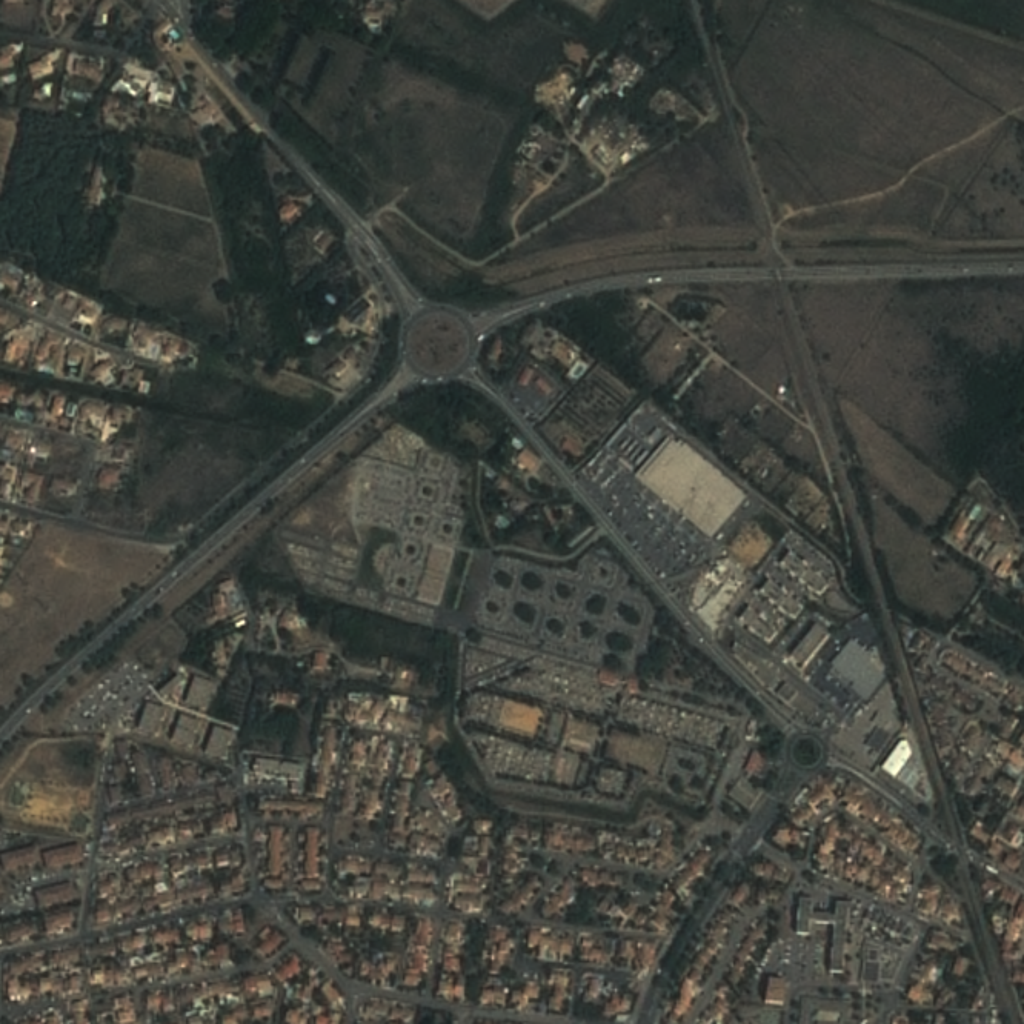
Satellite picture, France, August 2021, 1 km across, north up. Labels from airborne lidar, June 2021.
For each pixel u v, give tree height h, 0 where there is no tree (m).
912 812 0
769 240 0
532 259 0
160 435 0
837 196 0
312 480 0
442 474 0
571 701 0
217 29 17
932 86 0
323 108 0
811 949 0
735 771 0
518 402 0
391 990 0
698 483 0
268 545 0
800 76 0
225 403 0
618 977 0
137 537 0
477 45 0
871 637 0
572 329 7
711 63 0
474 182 0
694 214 0
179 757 0
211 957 0
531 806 0
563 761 0
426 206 0
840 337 0
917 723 0
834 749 0
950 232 0
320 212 7
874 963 0
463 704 11
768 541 0
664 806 0
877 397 0
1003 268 0
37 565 0
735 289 0
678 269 0
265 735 10
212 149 10
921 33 0
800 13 0
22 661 0
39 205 17
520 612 12
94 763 8
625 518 0
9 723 0
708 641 0
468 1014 0
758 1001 0
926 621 10
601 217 0
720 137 0
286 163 8
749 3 0
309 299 9
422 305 0
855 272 0
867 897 0
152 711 0
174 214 0
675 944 8
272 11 21
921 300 0
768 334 0
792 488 0
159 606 9
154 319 11
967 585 0
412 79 0
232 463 0
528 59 0
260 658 7
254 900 0
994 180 6
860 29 0
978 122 0
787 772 0
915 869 0
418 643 0
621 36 9
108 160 16
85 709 0
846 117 0
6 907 0
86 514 0
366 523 0
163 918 0
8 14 0
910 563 0
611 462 0
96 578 0
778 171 0
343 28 10
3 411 5
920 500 0
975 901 0
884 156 0
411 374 0
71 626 0
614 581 0
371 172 0
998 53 0
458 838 6
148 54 11
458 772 9
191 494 0
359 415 0
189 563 0
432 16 0
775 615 0
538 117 13
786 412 0
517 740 8
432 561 0
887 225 0
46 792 0
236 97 0
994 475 8
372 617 9
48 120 8
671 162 0
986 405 6
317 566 0
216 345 11
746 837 0
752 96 0
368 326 0
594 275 0
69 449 0
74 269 17
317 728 7
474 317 0
